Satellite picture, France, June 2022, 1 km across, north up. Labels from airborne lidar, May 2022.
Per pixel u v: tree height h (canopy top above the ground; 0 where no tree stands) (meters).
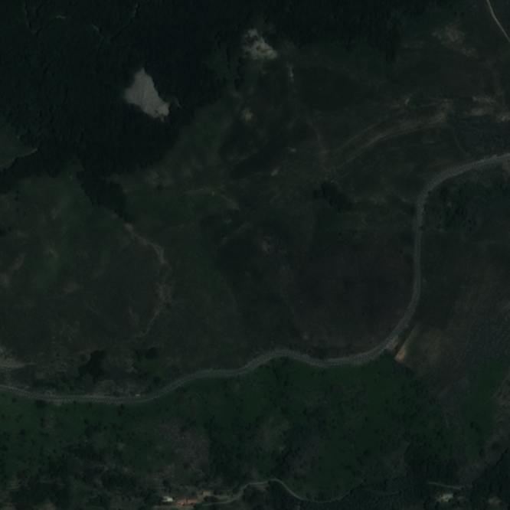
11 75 19
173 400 0
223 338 0
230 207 0
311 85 0
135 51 15
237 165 0
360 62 0
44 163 13
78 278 0
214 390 0
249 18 11
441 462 8
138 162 7
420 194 0
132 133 19
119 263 0
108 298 0
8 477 10
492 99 0
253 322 0
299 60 0
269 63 0
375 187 0
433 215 0
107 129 19
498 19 0
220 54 0
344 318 0
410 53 0
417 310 0
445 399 0
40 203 0
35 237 0
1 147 0
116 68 21
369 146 0
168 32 15
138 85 0
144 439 0
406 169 0
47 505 0
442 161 0
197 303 0
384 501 22
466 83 0
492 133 0
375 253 0
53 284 0
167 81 19
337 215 0
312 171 0
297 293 0
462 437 0
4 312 0
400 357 0
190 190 0
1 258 0
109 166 13
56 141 14
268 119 0
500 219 0
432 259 0
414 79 0
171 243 0
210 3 16
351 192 0
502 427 0
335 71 0
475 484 11
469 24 0
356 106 0
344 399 0
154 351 9
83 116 17
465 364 0
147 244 0
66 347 0
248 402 0
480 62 0
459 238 0
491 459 0
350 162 0
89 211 0
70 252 0
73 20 13
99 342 0
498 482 8
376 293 0
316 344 0
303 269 0
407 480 19
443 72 0
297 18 12
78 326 0
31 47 20
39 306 0
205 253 0
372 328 0
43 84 11
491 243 0
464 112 0
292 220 0
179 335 0
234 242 0
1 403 0
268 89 0
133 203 0
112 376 0
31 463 7
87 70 15
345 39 8
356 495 24
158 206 0
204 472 11
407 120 0
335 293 0
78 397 0
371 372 0
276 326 0
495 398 0
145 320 0
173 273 0
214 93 10
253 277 0
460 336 0
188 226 0
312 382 0
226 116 0
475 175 0
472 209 0
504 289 0
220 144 0
